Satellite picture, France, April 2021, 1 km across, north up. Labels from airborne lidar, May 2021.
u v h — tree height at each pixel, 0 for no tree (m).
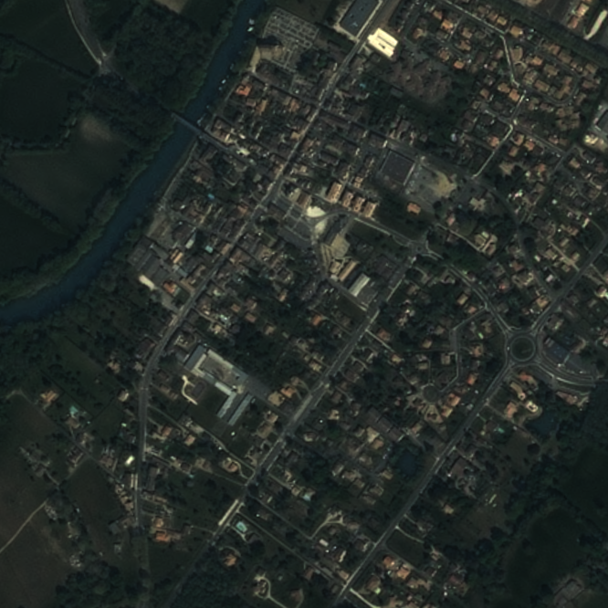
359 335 0
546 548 0
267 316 7
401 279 0
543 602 12
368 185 0
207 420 0
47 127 0
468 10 7
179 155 0
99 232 18
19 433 0
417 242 0
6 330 14
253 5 0
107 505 0
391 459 11
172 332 0
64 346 0
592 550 18
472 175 0
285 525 8
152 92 0
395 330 12
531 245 11
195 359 0
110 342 11
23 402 0
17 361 21
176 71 18
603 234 0
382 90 6
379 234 0
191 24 14
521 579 0
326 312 6
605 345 0
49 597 0
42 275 17
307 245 0
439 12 0
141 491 0
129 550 0
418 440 0
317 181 0
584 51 22
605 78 7
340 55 0
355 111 0
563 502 19
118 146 0
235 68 29
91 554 19
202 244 11
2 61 8
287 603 0
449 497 6
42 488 0
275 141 0
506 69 9
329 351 20
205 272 10
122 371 12
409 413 6
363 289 0
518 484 0
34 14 0
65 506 17
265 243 12
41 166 0
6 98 0
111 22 0
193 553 13
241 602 15
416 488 0
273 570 17
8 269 0
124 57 19
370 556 0
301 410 0
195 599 13
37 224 0
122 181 6
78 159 0
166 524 0
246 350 7
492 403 0
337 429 20
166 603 0
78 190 0
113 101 20
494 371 10
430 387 0
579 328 0
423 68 0
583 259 0
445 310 8
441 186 0
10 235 0
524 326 14
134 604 14
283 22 0
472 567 7
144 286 6
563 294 15
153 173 0
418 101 0
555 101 0
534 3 0
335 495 14
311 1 0
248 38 9
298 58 0
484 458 10
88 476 0
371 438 0
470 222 31
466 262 20
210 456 17
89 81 13
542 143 0
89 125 0
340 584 13
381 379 14
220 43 17
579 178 6
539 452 9
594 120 0
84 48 8
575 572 9
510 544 6
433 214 0
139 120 28
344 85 8
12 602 0
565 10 0
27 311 0
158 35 24
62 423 8
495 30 0
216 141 0
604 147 0
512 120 0
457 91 15
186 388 0
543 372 0
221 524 0
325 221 0
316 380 7
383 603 16
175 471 8
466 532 0
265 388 0
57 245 0
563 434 13
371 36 0
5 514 0
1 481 0
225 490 6
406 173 0
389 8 0
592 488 0
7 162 12
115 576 20
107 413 0
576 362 0
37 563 0
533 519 13
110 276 21
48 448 0
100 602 21
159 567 0
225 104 18
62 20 0
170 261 0
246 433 0
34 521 0
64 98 0
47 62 10
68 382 6
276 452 0
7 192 22
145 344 0
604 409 16
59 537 0
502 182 16
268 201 0
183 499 6
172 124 19
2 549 0
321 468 23
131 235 15
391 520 12
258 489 10
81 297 13
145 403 0
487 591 19
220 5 0
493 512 0
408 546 0
